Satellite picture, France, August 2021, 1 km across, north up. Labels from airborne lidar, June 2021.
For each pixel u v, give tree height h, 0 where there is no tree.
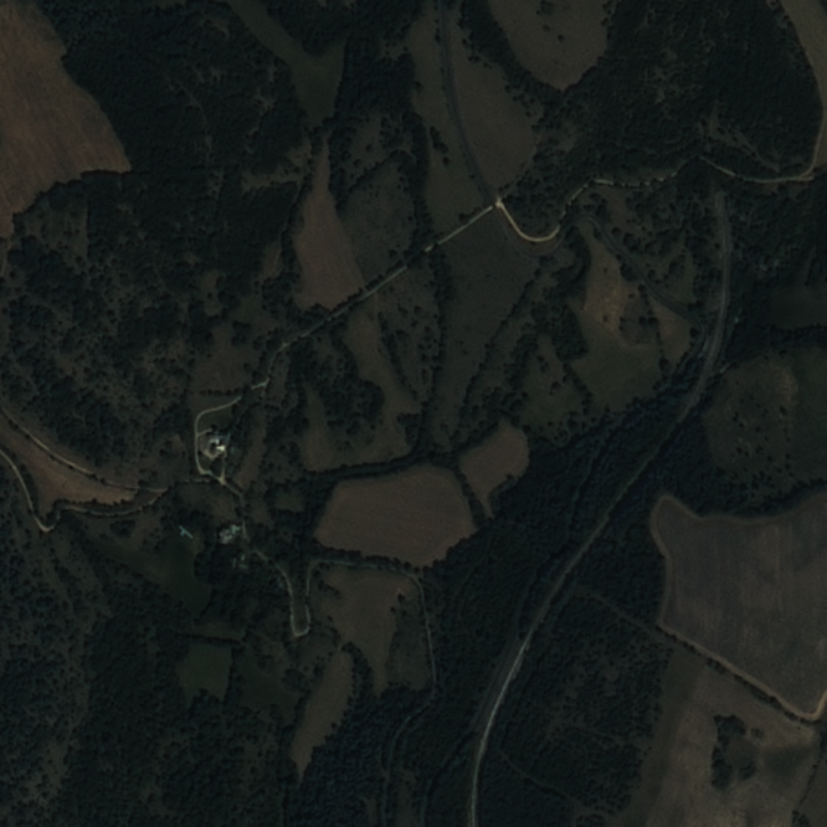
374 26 10
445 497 0
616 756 6
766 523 0
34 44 0
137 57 14
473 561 12
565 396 0
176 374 11
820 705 0
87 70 15
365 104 10
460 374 0
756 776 0
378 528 0
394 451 0
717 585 0
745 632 0
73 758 7
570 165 8
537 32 0
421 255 10
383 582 0
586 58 0
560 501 13
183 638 10
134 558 0
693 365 10
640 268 0
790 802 0
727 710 0
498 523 10
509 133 0
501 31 12
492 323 0
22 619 10
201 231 9
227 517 0
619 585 11
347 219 0
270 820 7
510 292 0
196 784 13
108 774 8
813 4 0
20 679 11
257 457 0
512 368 7
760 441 0
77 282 10
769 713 0
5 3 0
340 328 9
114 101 14
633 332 0
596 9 0
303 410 10
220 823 9
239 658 14
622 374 0
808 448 0
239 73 8
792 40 7
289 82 11
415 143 9
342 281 0
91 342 0
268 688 0
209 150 7
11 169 0
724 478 10
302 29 11
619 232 9
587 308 0
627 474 6
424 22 0
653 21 7
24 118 0
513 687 10
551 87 8
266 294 6
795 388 0
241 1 0
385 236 0
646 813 0
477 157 0
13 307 9
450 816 13
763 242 10
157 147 7
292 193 10
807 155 8
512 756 6
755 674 0
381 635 0
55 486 0
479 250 0
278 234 10
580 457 9
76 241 0
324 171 0
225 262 11
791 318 0
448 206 0
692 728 0
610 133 9
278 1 11
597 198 8
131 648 10
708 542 0
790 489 0
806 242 8
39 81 0
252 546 10
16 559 8
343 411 9
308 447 0
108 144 0
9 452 7
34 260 12
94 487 0
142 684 13
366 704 11
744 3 9
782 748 0
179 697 15
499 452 0
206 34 6
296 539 9
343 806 15
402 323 0
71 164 0
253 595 8
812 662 0
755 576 0
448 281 9
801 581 0
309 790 13
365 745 15
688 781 0
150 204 11
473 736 10
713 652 0
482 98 0
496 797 10
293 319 7
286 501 0
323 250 0
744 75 7
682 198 8
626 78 7
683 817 0
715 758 7
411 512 0
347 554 11
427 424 8
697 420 14
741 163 10
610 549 8
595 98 8
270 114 9
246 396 10
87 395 7
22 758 6
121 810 12
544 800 11
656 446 7
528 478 10
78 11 14
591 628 7
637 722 5
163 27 13
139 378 8
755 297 12
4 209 0
